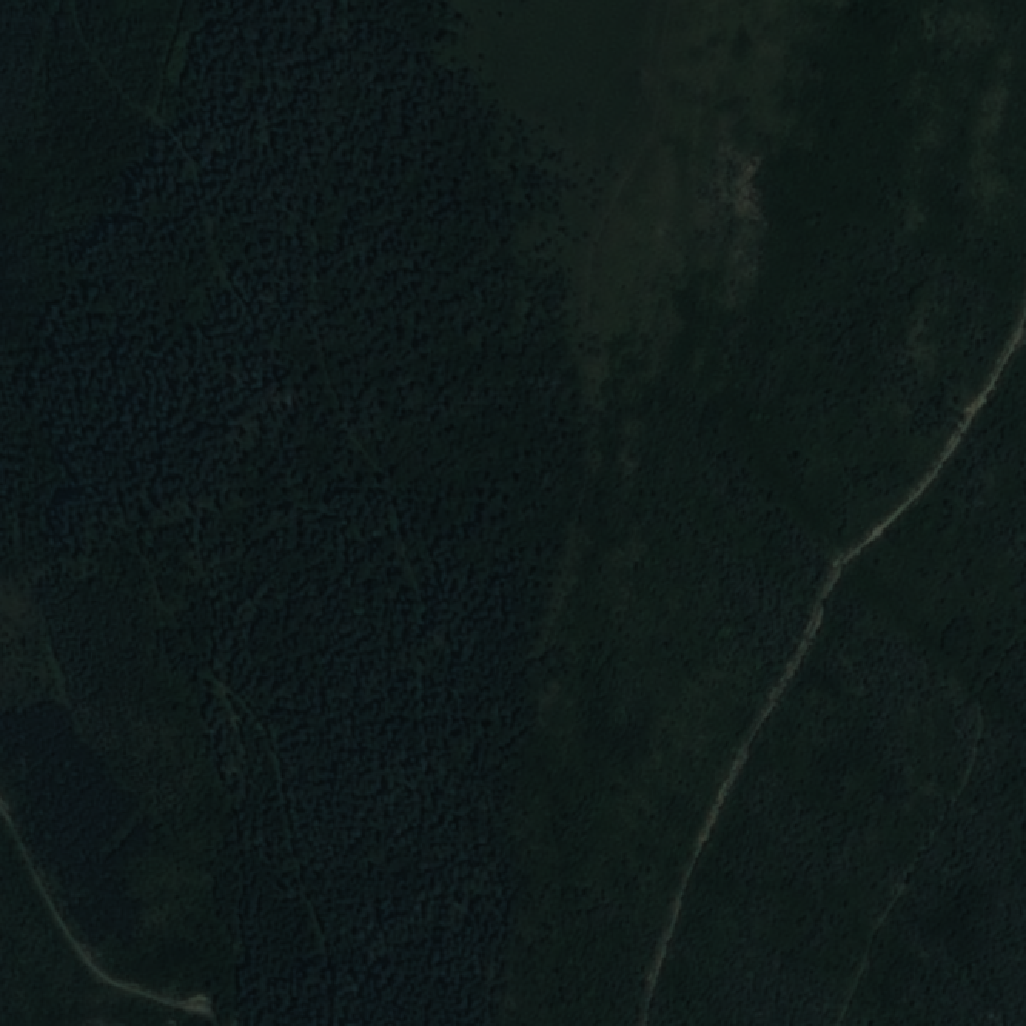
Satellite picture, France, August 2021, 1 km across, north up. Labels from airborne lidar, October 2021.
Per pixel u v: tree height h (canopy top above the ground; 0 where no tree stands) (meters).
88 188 10
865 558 8
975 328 7
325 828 20
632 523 6
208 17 10
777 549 14
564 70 0
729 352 10
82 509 25
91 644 11
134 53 9
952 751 10
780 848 8
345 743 22
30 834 7
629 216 0
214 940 8
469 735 16
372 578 6
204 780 9
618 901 6
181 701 7
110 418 19
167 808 9
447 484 6
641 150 0
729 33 0
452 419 10
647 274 0
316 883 14
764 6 0
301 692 7
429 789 8
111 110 7
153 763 8
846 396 11
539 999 6
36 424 8
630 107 0
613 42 0
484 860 16
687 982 13
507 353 6
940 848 11
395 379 18
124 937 10
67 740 10
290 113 10
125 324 18
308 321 16
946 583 8
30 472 16
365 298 11
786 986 12
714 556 14
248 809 10
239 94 20
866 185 6
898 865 8
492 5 0
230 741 25
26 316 9
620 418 7
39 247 9
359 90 13
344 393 5
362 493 14
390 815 16
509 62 0
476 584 16
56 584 9
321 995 14
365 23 10
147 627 10
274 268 19
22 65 12
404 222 9
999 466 8
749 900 10
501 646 18
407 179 9
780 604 11
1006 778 9
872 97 8
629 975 11
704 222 0
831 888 7
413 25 11
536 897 6
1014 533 13
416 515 16
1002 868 13
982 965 12
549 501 6
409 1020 24
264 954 17
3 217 12
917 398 7
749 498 13
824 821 8
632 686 10
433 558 12
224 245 8
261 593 18
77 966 8
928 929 18
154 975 8
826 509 7
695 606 8
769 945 6
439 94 6
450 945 24
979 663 13
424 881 20
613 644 8
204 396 10
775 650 13
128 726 9
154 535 8
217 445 27
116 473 24
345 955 12
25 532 7
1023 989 12
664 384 11
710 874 9
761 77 0
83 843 11
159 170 24
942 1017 11
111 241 24
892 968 10
